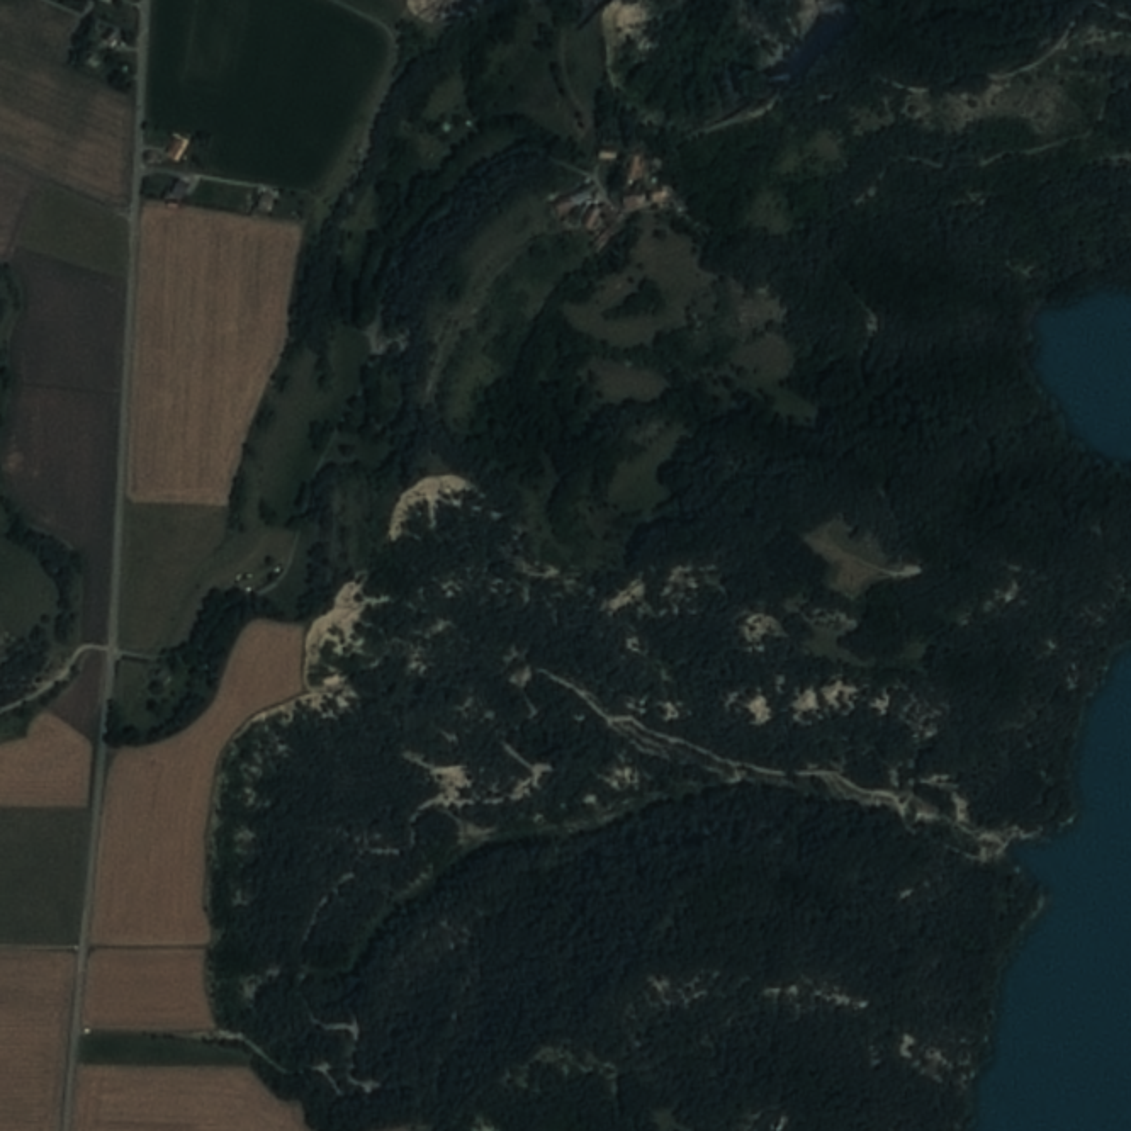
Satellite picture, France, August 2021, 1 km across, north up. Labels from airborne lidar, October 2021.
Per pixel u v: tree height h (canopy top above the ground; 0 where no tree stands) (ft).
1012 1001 0
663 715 26
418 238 52
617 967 31
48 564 44
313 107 0
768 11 24
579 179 0
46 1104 0
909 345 54
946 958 41
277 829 36
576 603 40
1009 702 50
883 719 33
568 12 29
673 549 49
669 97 28
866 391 91
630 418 61
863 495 44
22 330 0
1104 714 0
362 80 0
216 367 0
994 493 70
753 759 39
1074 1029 0
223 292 0
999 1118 0
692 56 22
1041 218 41
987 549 59
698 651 43
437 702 40
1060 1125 0
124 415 0
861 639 56
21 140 0
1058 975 0
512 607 32
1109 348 0
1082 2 47
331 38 0
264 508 29
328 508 27
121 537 0
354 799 32
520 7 42
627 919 36
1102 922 0
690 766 33
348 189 33
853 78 41
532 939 45
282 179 0
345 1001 29
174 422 0
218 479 0
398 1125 37
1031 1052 0
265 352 0
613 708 21
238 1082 0
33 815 0
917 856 56
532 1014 35
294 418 0
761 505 56
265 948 36
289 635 0
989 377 76
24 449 0
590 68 0
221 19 0
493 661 27
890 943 49
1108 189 39
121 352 0
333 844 38
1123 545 46
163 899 0
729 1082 37
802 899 66
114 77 34
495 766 24
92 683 0
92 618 0
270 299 0
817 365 40
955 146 27
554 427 73
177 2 0
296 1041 46
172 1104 0
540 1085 37
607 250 21
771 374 0
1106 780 0
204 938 0
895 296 82
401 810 45
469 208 41
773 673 40
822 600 42
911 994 29
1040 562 38
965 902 38
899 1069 51
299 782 42
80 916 0
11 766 0
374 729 51
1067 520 71
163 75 0
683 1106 30
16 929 0
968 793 31
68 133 0
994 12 28
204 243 0
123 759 0
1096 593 41
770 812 45
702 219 61
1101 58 31
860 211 28
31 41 0
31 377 0
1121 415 0
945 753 35
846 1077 54
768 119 21
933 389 112
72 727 0
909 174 42
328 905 41
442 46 28
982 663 65
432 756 27
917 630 36
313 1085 25
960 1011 45
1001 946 30
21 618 0
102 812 0
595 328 0
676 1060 55
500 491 42
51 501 0
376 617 33
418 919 38
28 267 0
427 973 38
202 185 0
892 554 21
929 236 63
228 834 23
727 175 56
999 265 28
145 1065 0
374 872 41
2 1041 0
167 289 0
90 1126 0
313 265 34
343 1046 31
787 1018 50
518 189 35
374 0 0
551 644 39
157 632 0
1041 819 41
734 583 30
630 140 42
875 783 24
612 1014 36
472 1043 36
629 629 24
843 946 59
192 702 36
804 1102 46
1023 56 27
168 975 0
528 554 22
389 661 39
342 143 0
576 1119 19
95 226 0
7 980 0
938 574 30
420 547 50
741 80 25
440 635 25
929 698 31
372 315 35
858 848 72
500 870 49
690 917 46
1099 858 0
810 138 32
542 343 52
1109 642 29
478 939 37
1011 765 26
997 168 31
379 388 32
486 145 0
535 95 0
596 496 22
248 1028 34
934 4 72
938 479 46
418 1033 52
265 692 0
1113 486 72
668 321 0
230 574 0
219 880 31
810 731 37
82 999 0
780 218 0
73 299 0
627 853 44
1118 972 0
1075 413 0
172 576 0
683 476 62
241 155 0
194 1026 0
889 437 90
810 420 28
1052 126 0
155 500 0
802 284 61
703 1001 30
